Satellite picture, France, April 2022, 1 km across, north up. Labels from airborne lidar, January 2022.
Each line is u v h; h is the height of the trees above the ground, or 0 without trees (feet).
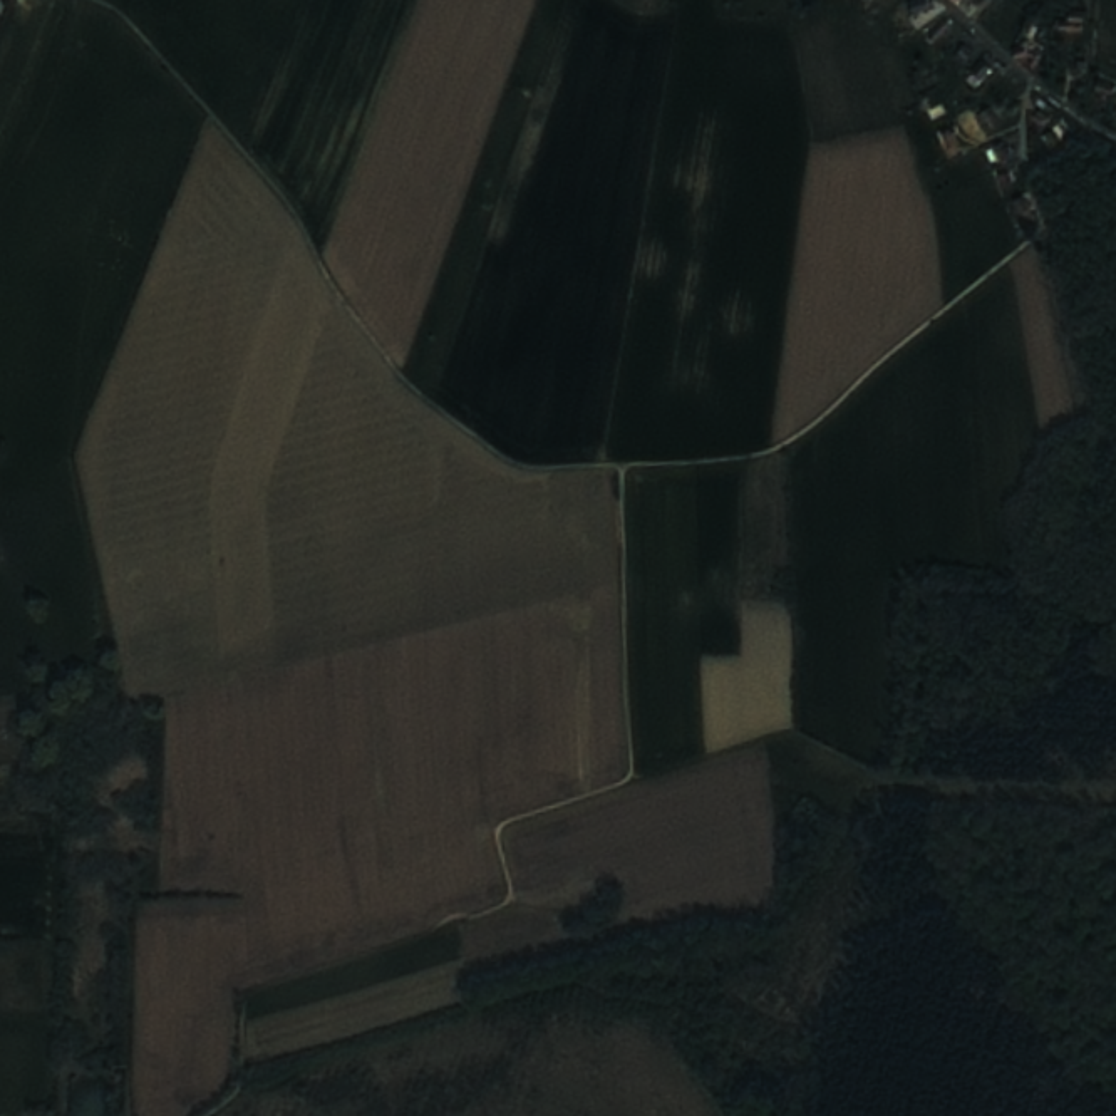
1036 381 0
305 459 0
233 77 0
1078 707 78
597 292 0
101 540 0
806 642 0
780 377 0
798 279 0
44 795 63
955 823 85
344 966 0
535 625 0
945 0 0
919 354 0
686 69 0
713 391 0
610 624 0
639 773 0
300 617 0
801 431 0
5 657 0
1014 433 0
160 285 0
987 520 0
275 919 0
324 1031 0
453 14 0
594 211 0
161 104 0
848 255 0
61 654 0
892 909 84
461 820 0
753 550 0
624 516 0
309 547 0
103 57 0
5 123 0
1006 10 0
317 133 0
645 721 0
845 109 0
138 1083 0
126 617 0
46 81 0
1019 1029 74
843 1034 70
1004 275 0
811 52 0
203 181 0
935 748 68
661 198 0
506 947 0
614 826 0
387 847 0
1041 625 70
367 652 0
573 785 0
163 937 0
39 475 0
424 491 0
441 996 0
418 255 0
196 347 0
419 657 0
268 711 0
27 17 0
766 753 0
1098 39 0
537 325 0
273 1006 0
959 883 76
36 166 0
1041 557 76
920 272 0
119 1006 27
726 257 0
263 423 0
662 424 0
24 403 0
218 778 0
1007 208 0
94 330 0
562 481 0
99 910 0
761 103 0
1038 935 79
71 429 0
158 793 18
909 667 57
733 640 0
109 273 0
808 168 0
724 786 0
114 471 0
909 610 69
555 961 61
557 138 0
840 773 0
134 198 0
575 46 0
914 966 76
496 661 0
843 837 62
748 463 0
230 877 0
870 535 0
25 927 0
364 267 0
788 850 70
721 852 0
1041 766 73
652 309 0
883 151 0
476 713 0
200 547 0
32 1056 0
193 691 0
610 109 0
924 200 0
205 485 0
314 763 0
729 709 0
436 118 0
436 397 0
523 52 0
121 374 0
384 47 0
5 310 0
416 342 0
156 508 0
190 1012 0
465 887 0
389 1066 0
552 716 0
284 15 0
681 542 0
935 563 41
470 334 0
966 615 87
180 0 0
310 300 0
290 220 0
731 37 0
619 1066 0
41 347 0
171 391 0
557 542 0
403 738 0
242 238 0
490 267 0
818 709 0
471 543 0
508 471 0
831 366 0
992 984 63
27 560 0
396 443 0
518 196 0
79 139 0
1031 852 80
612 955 78
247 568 0
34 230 0
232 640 0
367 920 0
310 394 0
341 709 0
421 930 0
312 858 0
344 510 0
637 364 0
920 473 0
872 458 0
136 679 0
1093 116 0
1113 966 73
